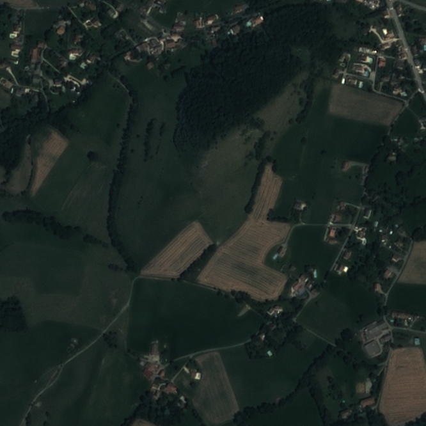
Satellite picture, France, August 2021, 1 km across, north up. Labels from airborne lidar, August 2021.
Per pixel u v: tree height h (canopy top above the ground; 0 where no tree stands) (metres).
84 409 0
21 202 0
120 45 13
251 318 0
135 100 11
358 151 0
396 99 9
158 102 0
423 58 6
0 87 0
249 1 15
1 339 0
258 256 0
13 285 0
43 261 0
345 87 0
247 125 12
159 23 0
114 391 0
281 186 0
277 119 0
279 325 19
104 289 0
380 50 10
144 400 23
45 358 0
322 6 14
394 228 6
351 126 0
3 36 7
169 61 6
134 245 0
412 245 0
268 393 0
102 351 0
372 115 0
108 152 0
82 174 0
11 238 0
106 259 0
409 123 0
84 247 0
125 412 0
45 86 0
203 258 14
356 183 0
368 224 14
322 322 0
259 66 20
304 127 0
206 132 17
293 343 16
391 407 0
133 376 0
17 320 18
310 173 0
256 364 0
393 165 7
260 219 0
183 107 14
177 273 0
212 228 0
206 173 0
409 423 0
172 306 0
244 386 0
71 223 0
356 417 12
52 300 0
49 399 0
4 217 7
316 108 0
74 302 0
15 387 0
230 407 0
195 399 0
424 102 9
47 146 0
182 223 0
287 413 0
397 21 0
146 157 7
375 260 7
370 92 11
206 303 0
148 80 0
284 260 0
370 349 0
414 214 0
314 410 0
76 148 0
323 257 0
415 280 0
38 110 18
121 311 0
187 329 0
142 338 0
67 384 0
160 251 0
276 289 0
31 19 0
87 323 0
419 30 10
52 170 0
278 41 19
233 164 0
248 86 20
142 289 0
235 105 26
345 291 0
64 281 0
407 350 0
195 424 0
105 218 0
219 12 0
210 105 22
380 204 14
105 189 0
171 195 0
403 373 0
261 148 16
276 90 18
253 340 13
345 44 7
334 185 0
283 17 19
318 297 0
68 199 0
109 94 0
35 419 0
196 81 22
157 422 20
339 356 12
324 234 0
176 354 0
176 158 0
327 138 0
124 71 0
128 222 0
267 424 0
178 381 0
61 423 0
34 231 0
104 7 14
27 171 0
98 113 0
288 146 0
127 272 11
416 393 0
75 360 0
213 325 0
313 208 0
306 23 17
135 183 0
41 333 0
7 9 19
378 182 0
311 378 18
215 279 0
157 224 0
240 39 6
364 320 15
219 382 0
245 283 0
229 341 0
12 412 0
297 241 0
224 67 26
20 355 0
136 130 0
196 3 0
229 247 0
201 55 0
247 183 0
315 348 0
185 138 7
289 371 0
